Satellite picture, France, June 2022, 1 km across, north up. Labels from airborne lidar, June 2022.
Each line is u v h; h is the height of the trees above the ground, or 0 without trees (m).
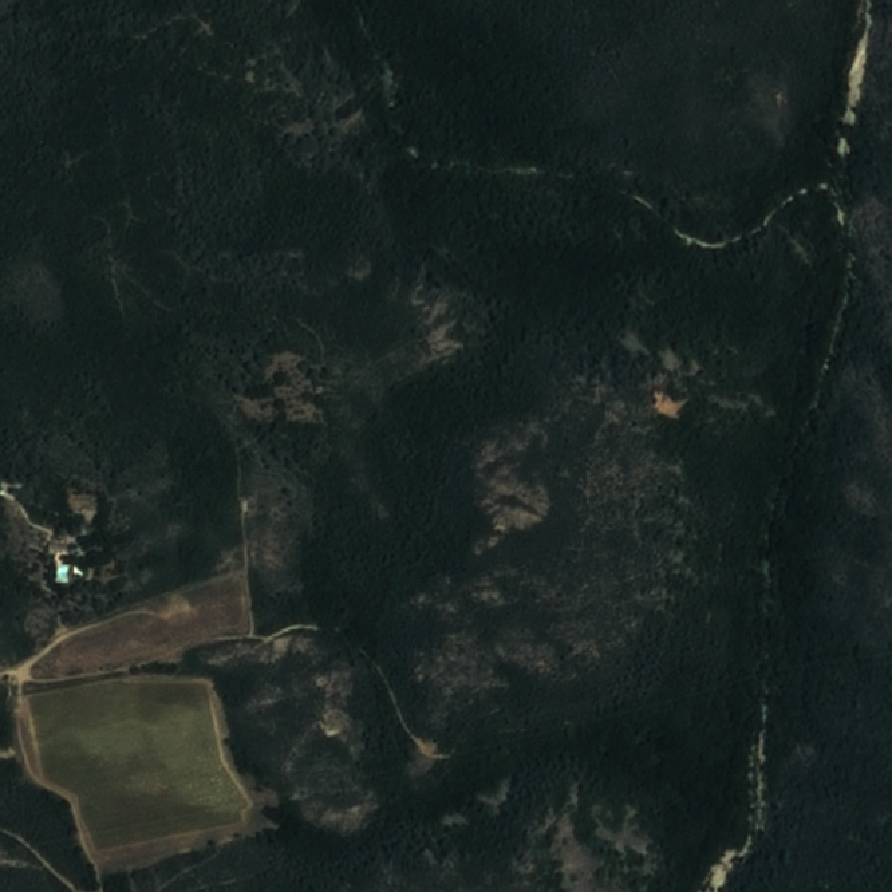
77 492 6
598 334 11
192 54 8
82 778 0
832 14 6
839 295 18
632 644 10
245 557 0
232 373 9
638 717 11
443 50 17
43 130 9
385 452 10
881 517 7
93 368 10
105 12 16
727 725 11
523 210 10
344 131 8
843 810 7
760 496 13
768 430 14
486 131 12
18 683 0
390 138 18
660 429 8
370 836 14
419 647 7
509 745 15
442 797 19
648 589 12
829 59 10
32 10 8
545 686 8
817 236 10
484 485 0
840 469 11
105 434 6
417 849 16
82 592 21
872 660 10
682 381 6
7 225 8
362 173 20
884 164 11
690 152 6
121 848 0
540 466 0
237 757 6
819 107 13
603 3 8
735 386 8
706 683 13
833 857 6
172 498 6
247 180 17
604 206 13
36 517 7
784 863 18
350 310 7
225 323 10
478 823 9
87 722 0
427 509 11
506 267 22
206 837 0
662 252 13
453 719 9
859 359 8
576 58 9
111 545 12
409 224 16
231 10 8
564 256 12
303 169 9
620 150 7
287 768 0
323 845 18
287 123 19
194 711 0
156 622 0
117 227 5
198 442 8
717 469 6
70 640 0
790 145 11
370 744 13
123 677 0
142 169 6
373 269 8
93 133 7
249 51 6
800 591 16
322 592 16
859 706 13
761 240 12
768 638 12
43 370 8
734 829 7
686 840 18
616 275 21
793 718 12
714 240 8
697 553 10
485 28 15
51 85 18
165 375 12
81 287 10
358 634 16
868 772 9
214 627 0
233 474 11
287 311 8
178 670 9
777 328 15
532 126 14
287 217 11
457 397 8
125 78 6
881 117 6
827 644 15
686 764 13
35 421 6
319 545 10
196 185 12
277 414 6
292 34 10
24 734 0
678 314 10
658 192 8
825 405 18
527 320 15
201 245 15
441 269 14
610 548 6
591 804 8
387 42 12
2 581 8
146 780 0
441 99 9
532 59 16
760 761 13
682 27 6
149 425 6
